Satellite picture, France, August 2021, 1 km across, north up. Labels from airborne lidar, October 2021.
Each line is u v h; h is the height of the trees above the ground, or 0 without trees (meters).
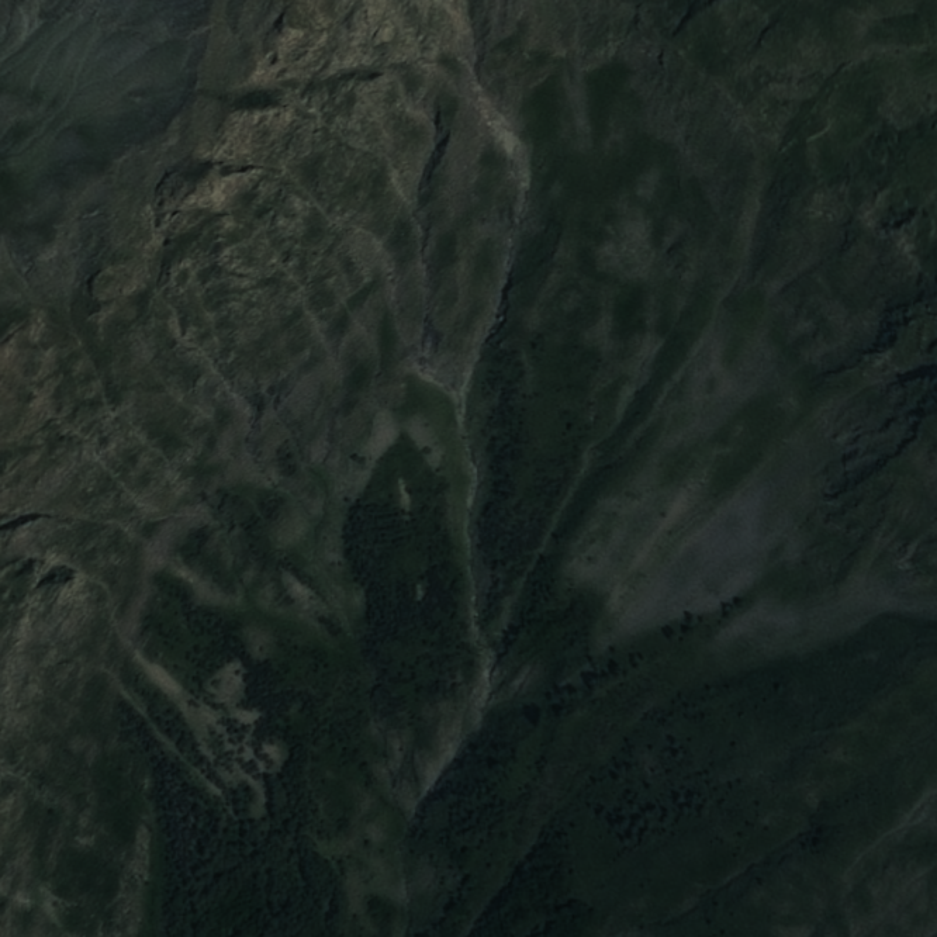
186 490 0
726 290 0
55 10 0
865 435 0
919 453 0
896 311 0
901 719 0
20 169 0
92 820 0
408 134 0
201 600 0
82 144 0
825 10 0
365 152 0
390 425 0
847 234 0
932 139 0
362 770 8
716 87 0
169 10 0
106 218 0
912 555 0
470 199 0
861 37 0
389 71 0
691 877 0
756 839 0
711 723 0
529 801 7
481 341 0
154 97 0
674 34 0
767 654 0
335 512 0
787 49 0
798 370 0
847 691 0
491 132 0
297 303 0
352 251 0
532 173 0
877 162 0
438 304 0
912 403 0
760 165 0
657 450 0
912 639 0
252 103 0
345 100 0
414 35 0
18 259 0
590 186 0
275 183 0
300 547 0
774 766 0
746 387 0
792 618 0
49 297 0
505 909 13
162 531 0
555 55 0
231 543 0
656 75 0
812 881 0
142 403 0
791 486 0
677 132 0
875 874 0
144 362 0
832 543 0
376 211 0
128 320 0
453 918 9
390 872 0
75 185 0
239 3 0
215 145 0
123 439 0
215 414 0
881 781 0
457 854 10
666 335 0
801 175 0
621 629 0
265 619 0
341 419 0
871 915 0
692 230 0
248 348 0
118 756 0
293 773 12
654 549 0
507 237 0
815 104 0
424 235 0
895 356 0
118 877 0
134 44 0
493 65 0
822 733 0
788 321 0
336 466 0
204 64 0
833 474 0
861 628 0
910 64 0
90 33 0
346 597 0
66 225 0
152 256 0
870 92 0
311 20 0
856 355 0
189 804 16
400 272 0
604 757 0
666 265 0
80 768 0
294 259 0
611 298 0
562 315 0
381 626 8
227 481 0
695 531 0
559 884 14
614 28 0
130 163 0
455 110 0
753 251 0
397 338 0
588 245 0
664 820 17
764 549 0
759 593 0
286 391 0
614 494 0
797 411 0
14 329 0
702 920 0
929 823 0
